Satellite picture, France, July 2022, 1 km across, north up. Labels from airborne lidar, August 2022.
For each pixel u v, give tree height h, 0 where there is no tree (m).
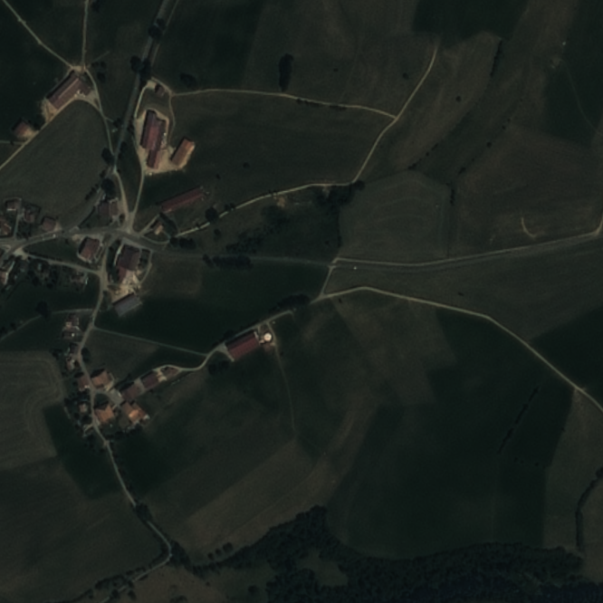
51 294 0
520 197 0
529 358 0
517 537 0
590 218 0
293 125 0
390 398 0
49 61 0
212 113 0
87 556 0
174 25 0
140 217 0
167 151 0
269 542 18
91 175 0
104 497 0
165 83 0
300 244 0
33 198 0
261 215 0
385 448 0
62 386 0
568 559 22
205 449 0
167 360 0
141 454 0
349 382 0
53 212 0
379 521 0
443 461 0
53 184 0
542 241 0
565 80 0
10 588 0
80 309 0
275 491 0
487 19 0
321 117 0
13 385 0
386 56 0
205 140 0
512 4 0
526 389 0
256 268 0
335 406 0
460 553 8
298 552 23
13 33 0
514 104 0
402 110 0
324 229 0
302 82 0
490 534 0
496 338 0
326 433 0
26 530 0
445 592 24
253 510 0
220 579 0
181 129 0
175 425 0
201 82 0
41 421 0
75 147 0
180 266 0
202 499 0
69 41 0
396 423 0
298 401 0
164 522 0
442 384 0
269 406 0
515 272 0
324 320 0
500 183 0
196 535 0
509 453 0
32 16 0
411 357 0
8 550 0
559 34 0
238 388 0
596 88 0
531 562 11
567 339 0
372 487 0
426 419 0
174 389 0
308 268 0
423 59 0
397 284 0
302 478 0
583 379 0
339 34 0
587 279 0
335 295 0
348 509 0
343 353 0
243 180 0
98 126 0
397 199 0
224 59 0
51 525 0
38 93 0
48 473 0
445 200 0
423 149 0
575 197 0
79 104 0
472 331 0
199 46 0
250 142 0
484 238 0
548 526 0
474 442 0
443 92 0
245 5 0
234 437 0
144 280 0
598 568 0
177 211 0
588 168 0
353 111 0
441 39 0
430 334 0
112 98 0
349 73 0
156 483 0
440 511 0
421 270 0
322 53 0
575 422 0
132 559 0
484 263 0
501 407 0
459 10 0
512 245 0
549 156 0
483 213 0
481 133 0
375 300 0
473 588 33
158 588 0
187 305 0
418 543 0
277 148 0
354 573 18
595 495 0
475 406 0
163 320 0
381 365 0
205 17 0
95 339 0
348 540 0
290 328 0
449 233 0
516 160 0
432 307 0
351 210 0
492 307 0
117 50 0
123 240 0
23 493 0
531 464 0
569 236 0
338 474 0
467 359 0
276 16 0
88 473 0
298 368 0
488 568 25
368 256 0
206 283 0
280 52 0
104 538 0
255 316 0
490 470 0
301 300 17
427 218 0
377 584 11
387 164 0
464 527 0
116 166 0
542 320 0
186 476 0
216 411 0
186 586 0
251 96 0
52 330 0
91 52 0
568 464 0
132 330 0
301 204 0
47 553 0
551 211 0
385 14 0
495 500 0
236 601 0
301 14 0
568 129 0
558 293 0
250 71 0
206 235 0
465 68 0
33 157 0
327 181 0
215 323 0
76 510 0
